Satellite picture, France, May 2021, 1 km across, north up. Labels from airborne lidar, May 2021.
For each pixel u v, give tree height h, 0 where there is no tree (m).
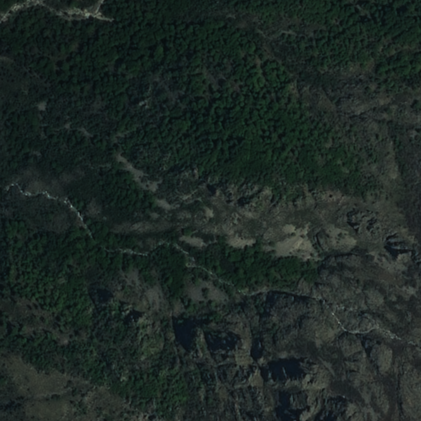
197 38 25
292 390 8
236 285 10
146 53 32
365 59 11
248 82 24
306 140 19
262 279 16
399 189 0
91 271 7
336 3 14
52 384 0
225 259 6
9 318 39
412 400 0
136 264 13
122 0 18
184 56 13
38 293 18
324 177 6
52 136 18
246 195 7
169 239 9
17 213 9
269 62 19
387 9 23
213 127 28
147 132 17
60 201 10
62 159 6
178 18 8
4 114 7
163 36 27
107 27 21
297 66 6
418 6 18
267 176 14
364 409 0
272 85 18
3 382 20
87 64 17
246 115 11
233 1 15
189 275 18
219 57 14
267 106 10
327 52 13
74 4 27
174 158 7
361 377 0
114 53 31
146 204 14
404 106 6
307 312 0
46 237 21
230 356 10
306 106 13
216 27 20
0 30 21
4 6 23
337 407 0
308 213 0
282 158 11
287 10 8
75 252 11
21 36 19
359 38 11
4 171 11
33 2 0
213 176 10
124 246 19
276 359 11
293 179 10
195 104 26
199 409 9
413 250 0
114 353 10
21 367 0
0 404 8
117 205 9
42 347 13
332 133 13
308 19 13
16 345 9
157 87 12
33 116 16
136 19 16
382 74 18
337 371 7
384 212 0
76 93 8
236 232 7
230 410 7
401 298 8
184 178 10
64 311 17
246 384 0
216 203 0
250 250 21
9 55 20
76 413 8
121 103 18
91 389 6
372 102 0
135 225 0
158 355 9
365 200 5
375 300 0
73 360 9
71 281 18
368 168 0
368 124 0
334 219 0
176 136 11
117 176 12
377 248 0
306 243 0
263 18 12
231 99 11
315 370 0
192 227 7
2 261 6
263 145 12
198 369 10
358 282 11
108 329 11
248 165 9
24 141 20
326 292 0
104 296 11
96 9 0
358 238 0
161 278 11
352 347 0
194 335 9
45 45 23
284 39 11
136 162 11
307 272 9
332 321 0
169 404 9
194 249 14
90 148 6
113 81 25
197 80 9
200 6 11
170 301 12
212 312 8
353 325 0
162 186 17
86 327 9
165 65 12
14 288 27
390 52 11
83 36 12
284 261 16
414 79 10
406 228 0
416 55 12
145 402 8
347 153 26
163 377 8
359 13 27
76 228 13
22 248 10
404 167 11
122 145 16
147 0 18
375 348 0
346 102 0
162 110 7
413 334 0
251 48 18
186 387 9
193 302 13
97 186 11
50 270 14
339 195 0
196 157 10
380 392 0
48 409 0
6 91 7
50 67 31
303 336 7
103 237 22
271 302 9
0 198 6
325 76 15
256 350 8
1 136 6
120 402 0
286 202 9
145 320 13
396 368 0
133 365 7
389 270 0
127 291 9
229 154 16
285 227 0
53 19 12
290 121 8
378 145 0
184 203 7
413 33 21
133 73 18
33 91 12
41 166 8
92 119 8
